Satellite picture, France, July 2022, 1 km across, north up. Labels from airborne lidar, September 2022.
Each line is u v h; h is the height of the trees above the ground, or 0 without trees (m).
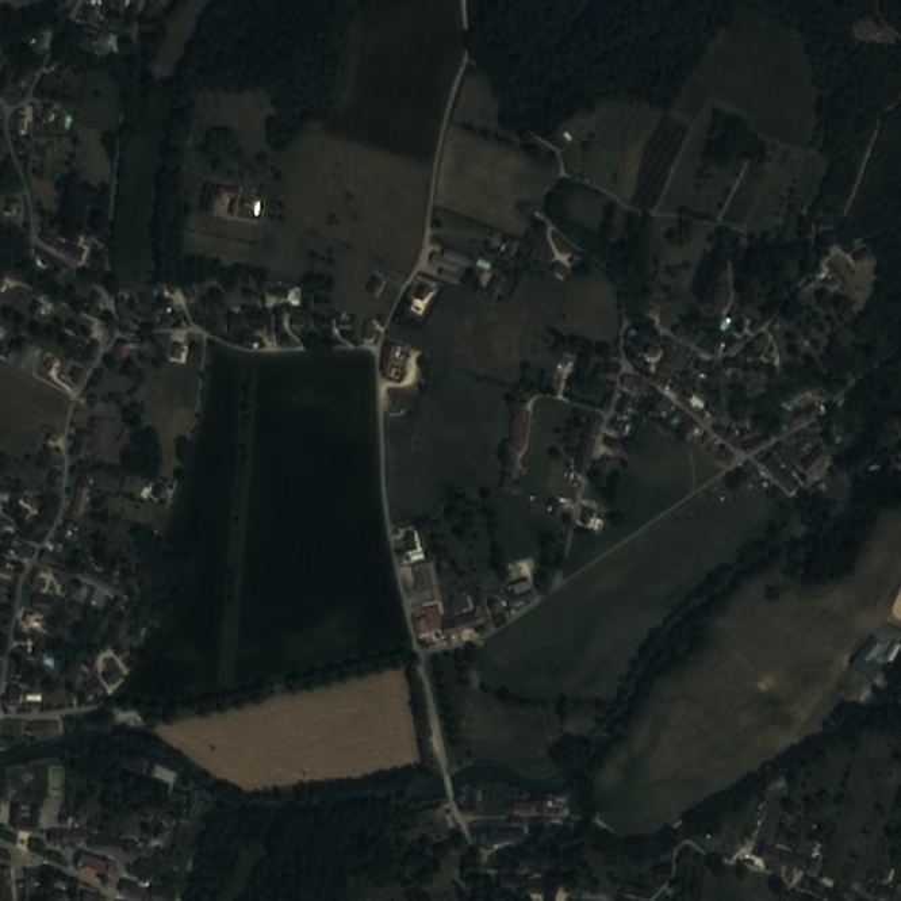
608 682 0
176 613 15
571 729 0
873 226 7
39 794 0
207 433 0
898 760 14
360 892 0
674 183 0
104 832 8
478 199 0
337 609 0
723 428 0
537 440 0
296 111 15
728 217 0
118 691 0
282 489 0
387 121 0
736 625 0
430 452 0
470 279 11
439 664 13
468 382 0
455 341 0
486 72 18
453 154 0
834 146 15
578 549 0
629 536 0
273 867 14
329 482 0
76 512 0
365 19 0
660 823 0
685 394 7
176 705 13
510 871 7
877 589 0
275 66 19
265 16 20
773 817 0
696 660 0
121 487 0
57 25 15
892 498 8
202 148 8
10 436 0
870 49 12
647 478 0
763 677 0
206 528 0
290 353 0
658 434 0
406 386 0
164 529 0
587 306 0
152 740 16
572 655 0
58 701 0
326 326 10
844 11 19
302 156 0
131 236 0
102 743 16
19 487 6
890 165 8
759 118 0
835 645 0
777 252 20
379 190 0
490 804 0
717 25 16
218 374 0
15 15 17
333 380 0
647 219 12
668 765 0
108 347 0
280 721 0
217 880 11
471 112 0
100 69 9
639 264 13
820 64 15
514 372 0
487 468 0
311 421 0
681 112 0
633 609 0
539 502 0
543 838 18
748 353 8
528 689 0
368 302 0
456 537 14
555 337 27
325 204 0
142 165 0
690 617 11
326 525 0
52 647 19
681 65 25
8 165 15
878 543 0
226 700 14
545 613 0
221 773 0
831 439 16
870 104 6
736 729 0
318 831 32
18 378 0
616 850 18
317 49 17
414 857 19
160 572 8
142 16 10
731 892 0
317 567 0
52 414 0
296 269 0
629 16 22
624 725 15
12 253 8
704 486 0
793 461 0
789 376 19
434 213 0
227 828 24
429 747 0
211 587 0
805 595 0
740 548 0
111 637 9
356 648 0
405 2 0
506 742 0
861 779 0
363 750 0
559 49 27
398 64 0
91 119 0
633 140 0
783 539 14
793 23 19
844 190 11
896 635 0
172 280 19
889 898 0
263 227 0
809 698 0
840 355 25
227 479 0
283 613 0
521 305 0
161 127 0
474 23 15
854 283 0
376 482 0
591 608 0
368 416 0
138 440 20
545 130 9
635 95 25
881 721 14
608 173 0
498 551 16
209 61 22
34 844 7
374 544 0
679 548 0
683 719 0
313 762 0
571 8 10
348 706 0
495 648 0
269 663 0
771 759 0
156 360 7
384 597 0
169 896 0
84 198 18
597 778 0
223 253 0
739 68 0
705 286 27
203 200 5
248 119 0
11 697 0
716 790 0
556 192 6
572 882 17
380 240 0
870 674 0
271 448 0
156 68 0
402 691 0
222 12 22
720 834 10
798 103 0
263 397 0
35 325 15
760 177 0
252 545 0
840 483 0
